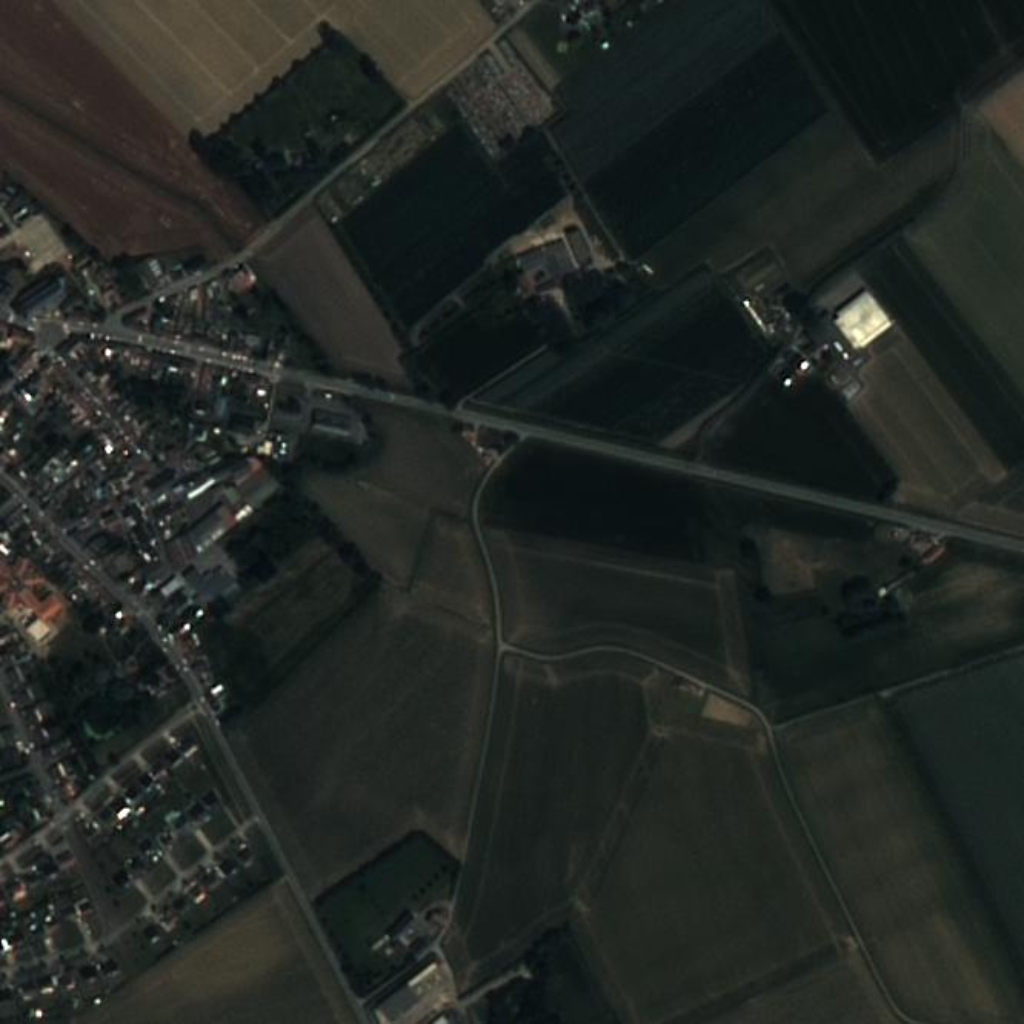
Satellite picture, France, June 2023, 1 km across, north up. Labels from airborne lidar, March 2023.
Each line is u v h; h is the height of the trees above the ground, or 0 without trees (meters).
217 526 0
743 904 0
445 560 0
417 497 0
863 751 0
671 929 0
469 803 0
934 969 0
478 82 0
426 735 0
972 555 0
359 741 0
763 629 0
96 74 0
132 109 0
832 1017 0
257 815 0
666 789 0
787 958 0
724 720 0
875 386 0
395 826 0
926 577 0
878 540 0
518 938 0
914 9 0
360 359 0
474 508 0
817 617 0
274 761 0
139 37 0
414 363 0
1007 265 0
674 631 0
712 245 0
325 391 0
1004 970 0
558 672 0
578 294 25
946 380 0
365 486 0
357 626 0
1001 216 0
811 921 0
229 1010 0
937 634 0
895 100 0
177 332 0
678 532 0
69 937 0
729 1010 0
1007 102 0
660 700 0
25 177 0
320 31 0
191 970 0
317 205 0
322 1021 0
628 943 0
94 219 0
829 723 0
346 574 0
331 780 0
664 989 0
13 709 0
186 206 0
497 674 0
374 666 0
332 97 0
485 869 0
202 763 0
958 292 0
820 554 0
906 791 0
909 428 0
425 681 0
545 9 0
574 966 0
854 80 0
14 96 0
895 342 0
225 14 0
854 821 0
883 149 0
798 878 0
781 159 0
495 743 0
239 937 0
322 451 0
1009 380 0
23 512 0
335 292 0
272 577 0
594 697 0
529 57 0
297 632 0
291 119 0
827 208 0
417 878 0
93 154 0
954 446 0
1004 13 0
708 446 0
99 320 6
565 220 0
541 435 0
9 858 0
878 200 0
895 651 0
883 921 0
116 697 15
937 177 0
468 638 0
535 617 0
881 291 0
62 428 0
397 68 0
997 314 0
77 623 0
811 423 0
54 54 0
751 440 0
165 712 0
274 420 0
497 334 0
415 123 0
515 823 0
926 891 0
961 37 0
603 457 0
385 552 0
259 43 0
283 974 0
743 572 0
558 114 0
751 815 0
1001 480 0
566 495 0
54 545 0
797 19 0
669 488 0
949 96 0
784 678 0
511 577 0
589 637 0
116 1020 0
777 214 0
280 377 0
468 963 0
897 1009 0
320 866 0
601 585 0
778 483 0
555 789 0
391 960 0
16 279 0
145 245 0
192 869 0
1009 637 0
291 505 13
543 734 0
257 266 0
